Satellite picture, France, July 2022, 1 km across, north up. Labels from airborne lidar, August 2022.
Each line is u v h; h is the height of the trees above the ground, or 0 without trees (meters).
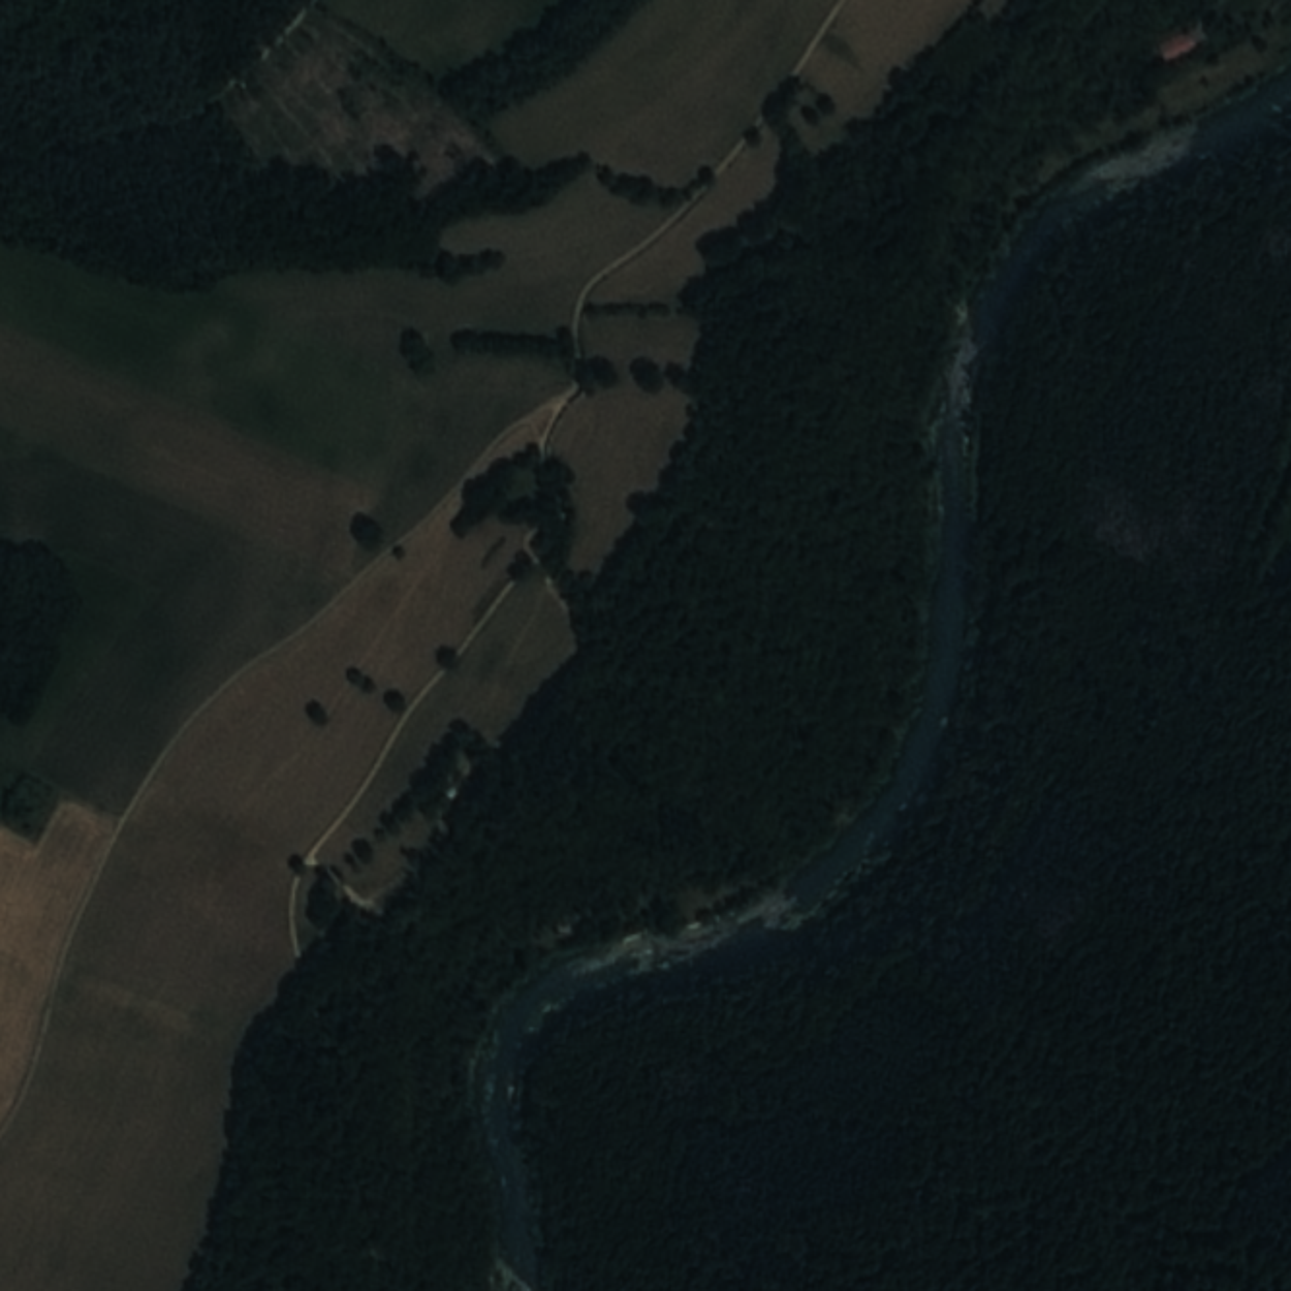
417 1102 20
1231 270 14
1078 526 14
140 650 0
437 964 18
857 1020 21
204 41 20
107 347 0
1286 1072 26
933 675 0
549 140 0
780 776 19
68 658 0
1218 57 11
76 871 0
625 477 0
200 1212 0
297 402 0
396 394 0
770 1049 22
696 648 20
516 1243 0
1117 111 23
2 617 18
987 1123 21
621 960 0
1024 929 24
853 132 19
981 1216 19
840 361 17
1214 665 15
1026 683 24
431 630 0
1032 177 17
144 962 0
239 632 0
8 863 0
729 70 0
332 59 0
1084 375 22
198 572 0
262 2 16
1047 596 21
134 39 21
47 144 10
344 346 0
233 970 0
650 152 0
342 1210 21
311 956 15
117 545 0
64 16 7
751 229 18
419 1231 17
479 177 19
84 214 15
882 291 19
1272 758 21
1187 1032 20
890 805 0
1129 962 18
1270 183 25
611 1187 18
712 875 15
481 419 0
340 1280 18
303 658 0
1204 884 21
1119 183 0
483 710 0
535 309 0
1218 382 14
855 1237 25
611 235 0
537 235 0
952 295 24
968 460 6
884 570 24
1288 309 10
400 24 0
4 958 0
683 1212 23
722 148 0
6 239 15
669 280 0
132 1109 0
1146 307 17
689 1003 23
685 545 15
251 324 0
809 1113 25
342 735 0
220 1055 0
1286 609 22
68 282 0
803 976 24
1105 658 16
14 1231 0
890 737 18
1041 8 24
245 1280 15
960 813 25
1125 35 18
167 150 18
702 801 20
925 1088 23
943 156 25
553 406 0
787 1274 28
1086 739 15
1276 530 21
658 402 0
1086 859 28
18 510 0
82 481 0
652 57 0
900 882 14
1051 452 19
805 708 23
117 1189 0
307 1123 24
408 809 15
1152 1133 19
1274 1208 29
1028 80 19
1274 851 20
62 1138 0
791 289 18
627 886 16
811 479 15
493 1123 0
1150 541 18
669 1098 21
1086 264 22
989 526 16
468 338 12
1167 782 18
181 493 0
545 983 0
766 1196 25
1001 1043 24
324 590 0
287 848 0
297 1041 14
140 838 0
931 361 22
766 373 19
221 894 0
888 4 0
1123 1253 21
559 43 21
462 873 19
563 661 0
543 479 11
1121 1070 24
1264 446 20
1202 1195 23
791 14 0
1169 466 14
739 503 16
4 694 22
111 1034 0
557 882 17
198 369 0
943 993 19
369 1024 21
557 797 20
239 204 15
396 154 19
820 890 0
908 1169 22
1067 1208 26
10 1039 0
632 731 19
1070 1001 19
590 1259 16
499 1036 0
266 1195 24
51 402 0
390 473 0
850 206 16
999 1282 25
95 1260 0
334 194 20
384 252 11
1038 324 25
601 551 0
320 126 0
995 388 29
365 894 0
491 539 0
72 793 0
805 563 16
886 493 23
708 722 17
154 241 21
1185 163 0
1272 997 24
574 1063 15
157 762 0
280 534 0
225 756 0
